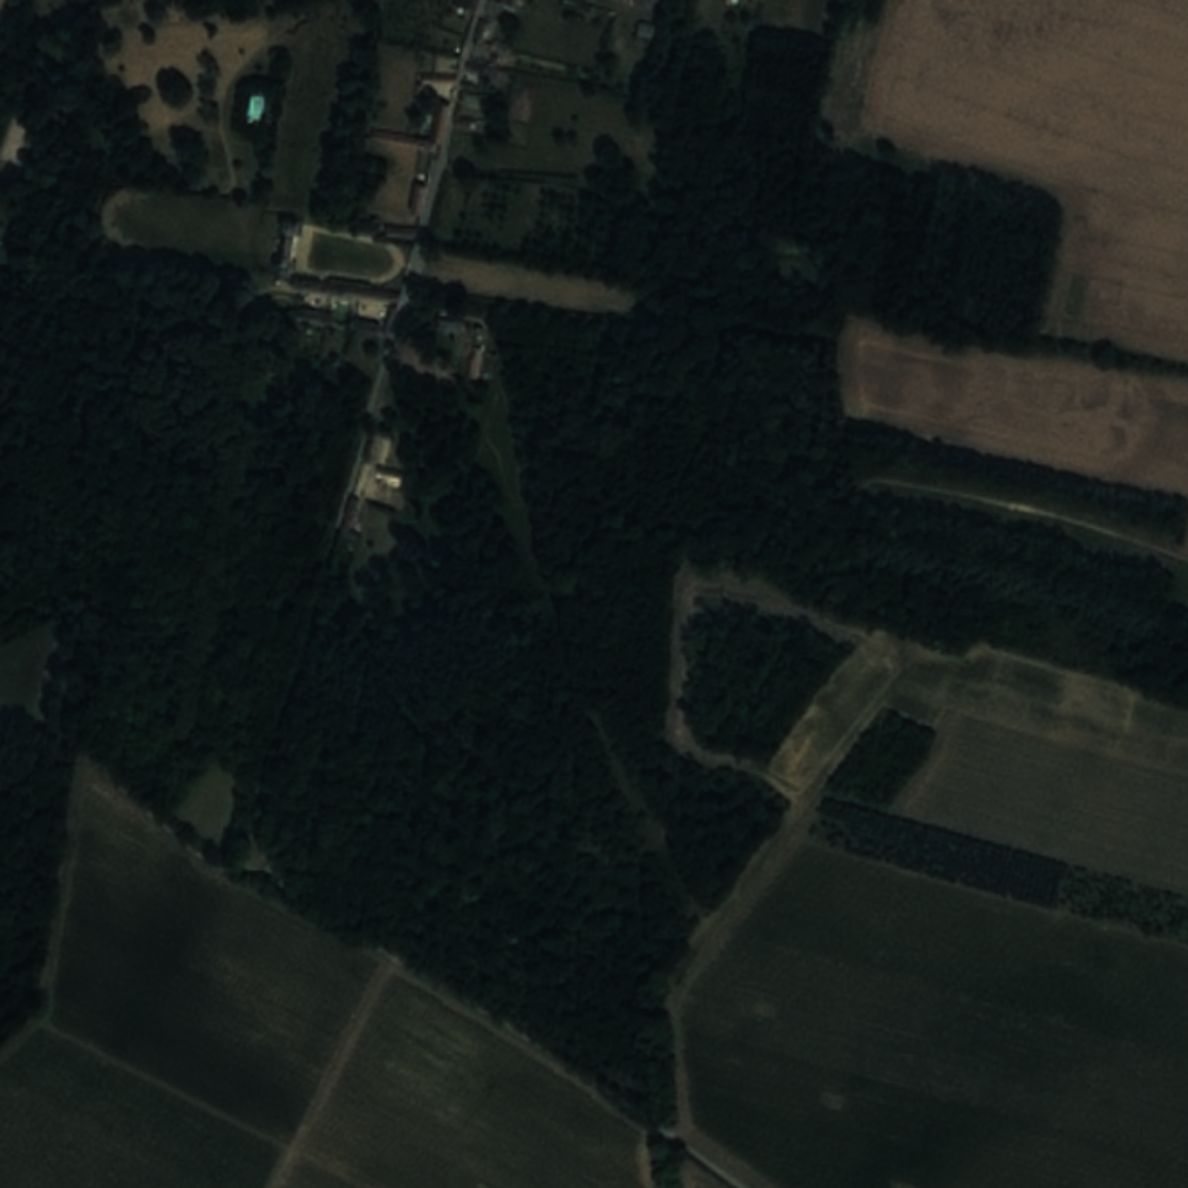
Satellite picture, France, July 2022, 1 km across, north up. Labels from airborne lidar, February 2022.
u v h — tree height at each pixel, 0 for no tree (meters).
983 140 0
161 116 0
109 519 25
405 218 0
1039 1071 0
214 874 0
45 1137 0
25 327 29
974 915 0
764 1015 0
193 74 0
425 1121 0
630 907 11
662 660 12
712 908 8
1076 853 0
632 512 11
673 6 15
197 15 17
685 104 25
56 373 24
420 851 17
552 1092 0
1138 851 0
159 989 0
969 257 36
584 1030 20
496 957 17
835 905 0
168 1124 0
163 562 29
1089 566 13
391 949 12
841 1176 0
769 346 32
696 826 18
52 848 19
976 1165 0
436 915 17
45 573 24
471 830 22
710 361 31
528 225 0
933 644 14
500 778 19
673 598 8
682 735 0
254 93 8
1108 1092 0
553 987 18
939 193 25
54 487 21
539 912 24
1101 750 0
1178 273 0
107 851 0
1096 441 0
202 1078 0
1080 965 0
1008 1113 0
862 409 0
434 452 10
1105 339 0
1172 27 0
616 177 19
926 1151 0
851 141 0
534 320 17
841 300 30
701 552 21
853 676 0
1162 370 9
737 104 16
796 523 22
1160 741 0
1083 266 0
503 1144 0
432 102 19
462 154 0
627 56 0
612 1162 0
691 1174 0
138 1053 0
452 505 12
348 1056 0
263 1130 0
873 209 32
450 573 26
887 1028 0
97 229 23
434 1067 0
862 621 19
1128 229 0
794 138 17
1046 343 7
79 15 27
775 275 34
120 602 15
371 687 26
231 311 28
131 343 19
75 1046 0
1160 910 6
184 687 19
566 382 21
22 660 0
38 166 23
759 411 28
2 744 22
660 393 9
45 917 19
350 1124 0
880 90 0
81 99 23
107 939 0
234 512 28
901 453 23
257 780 12
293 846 15
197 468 26
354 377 18
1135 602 17
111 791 0
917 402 0
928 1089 0
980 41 0
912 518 20
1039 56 0
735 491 18
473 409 10
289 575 29
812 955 0
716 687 20
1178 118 0
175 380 30
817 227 16
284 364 27
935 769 0
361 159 21
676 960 17
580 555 21
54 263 26
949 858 7
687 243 31
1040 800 0
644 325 25
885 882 0
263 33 0
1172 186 0
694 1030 0
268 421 22
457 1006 0
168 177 17
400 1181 0
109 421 34
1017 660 0
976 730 0
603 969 19
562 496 24
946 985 0
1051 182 0
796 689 21
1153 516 20
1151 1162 0
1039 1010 0
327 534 6
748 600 0
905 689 0
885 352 0
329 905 20
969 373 0
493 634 24
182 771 9
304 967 0
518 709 21
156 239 0
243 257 0
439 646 27
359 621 28
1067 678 0
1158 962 0
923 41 0
